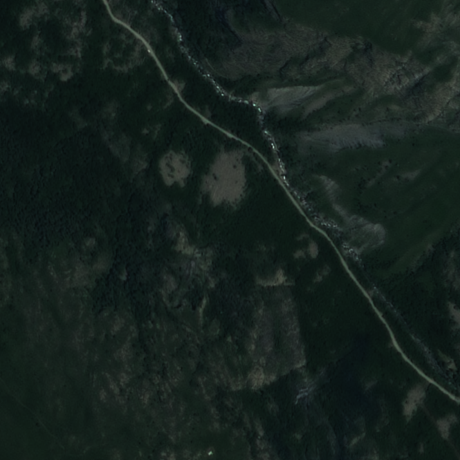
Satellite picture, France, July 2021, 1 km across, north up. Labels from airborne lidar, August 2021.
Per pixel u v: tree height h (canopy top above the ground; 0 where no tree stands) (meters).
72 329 0
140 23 7
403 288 8
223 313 12
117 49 9
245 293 14
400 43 0
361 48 0
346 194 0
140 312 8
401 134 0
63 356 0
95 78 8
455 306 7
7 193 14
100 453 0
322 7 0
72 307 0
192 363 0
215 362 0
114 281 16
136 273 11
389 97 0
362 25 0
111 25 10
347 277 10
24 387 0
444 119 0
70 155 21
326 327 7
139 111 10
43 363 0
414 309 11
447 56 0
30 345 0
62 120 11
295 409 11
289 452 10
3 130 13
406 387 7
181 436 0
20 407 0
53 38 15
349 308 7
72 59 7
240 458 0
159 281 8
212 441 0
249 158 12
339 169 0
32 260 11
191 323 0
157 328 0
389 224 0
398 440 6
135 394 0
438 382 10
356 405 10
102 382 0
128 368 0
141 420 0
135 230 23
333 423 6
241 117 12
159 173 9
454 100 0
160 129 6
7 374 0
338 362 12
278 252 15
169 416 0
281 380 9
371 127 0
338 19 0
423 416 10
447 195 0
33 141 22
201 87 10
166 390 0
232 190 0
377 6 0
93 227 6
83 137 9
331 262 7
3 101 11
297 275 9
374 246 0
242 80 5
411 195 0
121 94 10
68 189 20
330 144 0
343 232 11
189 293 11
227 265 6
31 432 0
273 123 9
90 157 15
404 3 0
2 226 8
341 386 6
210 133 6
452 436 6
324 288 12
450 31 0
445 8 0
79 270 0
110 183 6
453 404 8
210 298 14
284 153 12
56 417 0
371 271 7
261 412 7
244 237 7
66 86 25
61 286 0
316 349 9
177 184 10
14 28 19
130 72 9
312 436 8
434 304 7
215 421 0
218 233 7
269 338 0
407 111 0
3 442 0
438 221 0
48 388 0
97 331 0
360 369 7
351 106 0
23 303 0
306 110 0
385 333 9
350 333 10
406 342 11
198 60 7
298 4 0
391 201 0
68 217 15
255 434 9
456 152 0
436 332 10
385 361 8
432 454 9
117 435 0
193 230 9
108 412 0
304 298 9
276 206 6
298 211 13
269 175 13
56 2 14
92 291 12
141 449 0
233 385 0
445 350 17
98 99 6
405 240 0
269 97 0
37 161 10
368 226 0
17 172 18
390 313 13
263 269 6
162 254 9
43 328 0
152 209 7
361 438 11
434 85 0
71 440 0
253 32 0
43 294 0
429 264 10
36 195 22
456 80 0
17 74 16
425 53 0
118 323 0
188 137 13
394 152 0
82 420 0
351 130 0
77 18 8
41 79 8
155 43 7
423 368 6
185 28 6
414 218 0
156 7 10
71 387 0
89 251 7
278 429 8
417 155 0
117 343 0
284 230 9
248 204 8
